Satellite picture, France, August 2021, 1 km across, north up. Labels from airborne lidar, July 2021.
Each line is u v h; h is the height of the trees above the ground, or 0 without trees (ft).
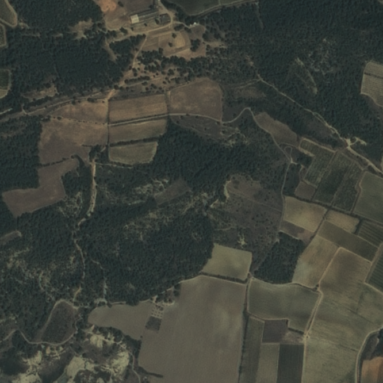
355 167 0
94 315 0
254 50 18
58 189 0
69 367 0
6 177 37
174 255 31
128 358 0
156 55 22
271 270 35
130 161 0
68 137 0
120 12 0
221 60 27
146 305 0
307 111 19
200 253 23
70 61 42
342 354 0
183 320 0
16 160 37
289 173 25
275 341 0
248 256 0
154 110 0
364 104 34
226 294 0
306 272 0
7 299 26
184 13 37
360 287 0
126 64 36
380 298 0
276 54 42
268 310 0
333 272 0
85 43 39
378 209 0
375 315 0
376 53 38
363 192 0
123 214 20
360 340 0
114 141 0
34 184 38
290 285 0
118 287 23
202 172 53
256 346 0
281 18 43
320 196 0
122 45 33
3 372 0
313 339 0
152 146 0
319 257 0
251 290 0
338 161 0
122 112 0
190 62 36
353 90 36
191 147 39
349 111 37
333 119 34
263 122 0
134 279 37
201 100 0
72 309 0
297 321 0
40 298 24
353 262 0
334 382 0
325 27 24
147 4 0
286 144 0
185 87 0
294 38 40
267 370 0
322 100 38
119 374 0
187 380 0
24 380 0
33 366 0
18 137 29
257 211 0
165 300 20
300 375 0
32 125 32
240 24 44
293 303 0
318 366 0
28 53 40
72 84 37
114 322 0
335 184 0
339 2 33
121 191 26
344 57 28
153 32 0
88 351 0
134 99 0
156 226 31
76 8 26
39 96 0
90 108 0
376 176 0
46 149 0
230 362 0
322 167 0
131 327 0
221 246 0
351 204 0
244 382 0
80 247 31
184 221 19
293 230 0
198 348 0
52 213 21
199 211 26
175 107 0
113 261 40
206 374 0
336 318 0
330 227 0
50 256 37
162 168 33
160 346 0
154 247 26
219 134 0
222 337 0
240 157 40
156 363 0
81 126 0
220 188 22
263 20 31
